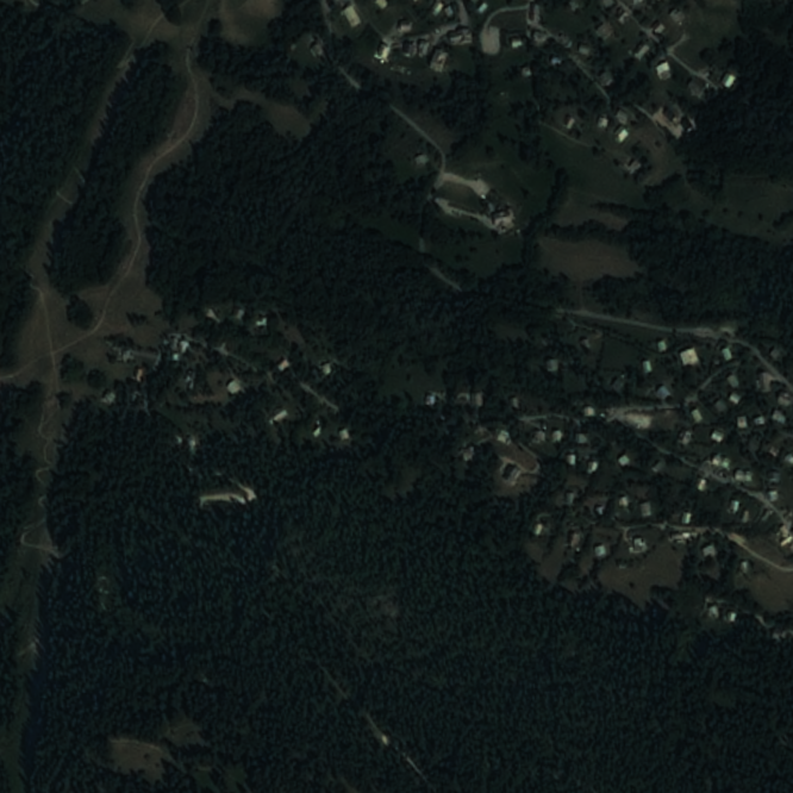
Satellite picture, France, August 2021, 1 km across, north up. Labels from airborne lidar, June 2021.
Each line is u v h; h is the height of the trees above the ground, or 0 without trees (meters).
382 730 10
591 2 8
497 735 15
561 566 0
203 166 24
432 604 20
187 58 0
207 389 9
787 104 22
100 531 8
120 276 0
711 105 8
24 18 14
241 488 9
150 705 23
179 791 20
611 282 14
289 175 16
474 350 17
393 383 0
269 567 21
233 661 7
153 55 12
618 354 0
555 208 11
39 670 0
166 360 11
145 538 6
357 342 15
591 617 24
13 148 16
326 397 13
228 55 25
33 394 10
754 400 8
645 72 0
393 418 15
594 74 7
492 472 18
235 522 7
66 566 6
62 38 11
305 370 14
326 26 10
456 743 24
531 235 12
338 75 8
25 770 0
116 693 24
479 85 11
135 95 25
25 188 27
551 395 11
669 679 17
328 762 12
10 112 17
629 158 0
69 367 10
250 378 9
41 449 0
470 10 20
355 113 22
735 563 17
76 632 8
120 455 22
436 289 13
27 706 0
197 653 9
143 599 26
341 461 18
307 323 12
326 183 20
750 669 22
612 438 9
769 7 12
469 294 13
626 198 0
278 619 13
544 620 15
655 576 0
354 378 12
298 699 7
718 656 27
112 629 11
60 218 0
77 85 32
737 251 17
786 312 13
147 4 0
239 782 0
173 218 30
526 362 13
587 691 8
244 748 29
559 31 0
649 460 9
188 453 13
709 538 8
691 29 0
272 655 22
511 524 15
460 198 0
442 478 6
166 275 22
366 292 17
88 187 11
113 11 0
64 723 29
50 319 0
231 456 22
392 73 0
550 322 11
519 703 20
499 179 0
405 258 18
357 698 6
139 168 0
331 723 6
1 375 0
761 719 21
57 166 24
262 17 0
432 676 9
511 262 0
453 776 7
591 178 0
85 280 10
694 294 10
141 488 17
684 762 22
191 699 21
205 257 15
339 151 15
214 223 29
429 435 9
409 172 0
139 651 7
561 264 0
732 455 0
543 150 14
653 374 6
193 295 16
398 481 14
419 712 26
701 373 9
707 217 8
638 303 6
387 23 0
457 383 6
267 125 8
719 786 28
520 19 0
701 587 21
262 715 7
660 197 14
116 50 29
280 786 28
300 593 22
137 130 20
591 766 20
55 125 28
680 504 6
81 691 22
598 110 11
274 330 14
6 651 14
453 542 23
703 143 15
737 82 9
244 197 24
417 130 0
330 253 13
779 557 0
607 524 13
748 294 9
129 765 0
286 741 22
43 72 29
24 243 8
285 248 23
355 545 8
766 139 23
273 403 17
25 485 15
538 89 13
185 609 6
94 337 0
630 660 27
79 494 14
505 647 7
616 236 10
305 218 15
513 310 17
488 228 0
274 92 24
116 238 20
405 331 22
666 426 0
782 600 0
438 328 25
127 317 0
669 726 29
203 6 0
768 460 16
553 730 21
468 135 25
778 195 0
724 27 0
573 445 8
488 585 11
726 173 13
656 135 0
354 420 29
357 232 13
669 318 13
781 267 14
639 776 20
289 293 11
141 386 11
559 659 9
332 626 14
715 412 7
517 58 0
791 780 24
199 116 0
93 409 6
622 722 8
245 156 14
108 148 19
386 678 26
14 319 13
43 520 0
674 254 17
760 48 13
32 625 0
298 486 26
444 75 0
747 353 13
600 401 14
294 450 12
